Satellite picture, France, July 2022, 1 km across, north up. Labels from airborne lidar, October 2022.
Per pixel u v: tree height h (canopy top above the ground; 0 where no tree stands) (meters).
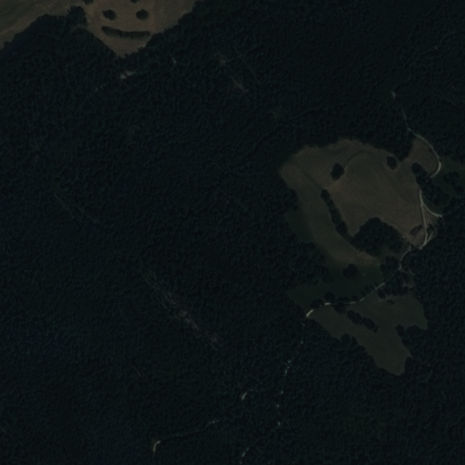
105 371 28
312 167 0
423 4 27
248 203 27
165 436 11
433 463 28
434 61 11
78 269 22
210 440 9
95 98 9
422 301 9
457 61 22
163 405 14
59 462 22
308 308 0
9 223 32
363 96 18
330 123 18
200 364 17
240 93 33
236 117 32
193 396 17
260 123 26
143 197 29
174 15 0
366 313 0
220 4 21
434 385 19
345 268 0
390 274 17
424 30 21
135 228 26
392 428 23
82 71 13
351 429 17
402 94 17
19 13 0
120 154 11
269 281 27
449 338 17
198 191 29
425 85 19
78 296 22
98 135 30
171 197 27
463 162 15
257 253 29
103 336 27
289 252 21
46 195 26
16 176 20
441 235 13
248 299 22
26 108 14
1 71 29
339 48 31
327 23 29
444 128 20
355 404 17
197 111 27
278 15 32
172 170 30
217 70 31
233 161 25
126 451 27
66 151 34
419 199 0
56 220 25
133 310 25
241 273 29
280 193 19
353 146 0
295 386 16
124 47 0
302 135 25
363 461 30
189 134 31
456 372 22
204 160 21
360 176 0
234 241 28
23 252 26
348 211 0
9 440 23
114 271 24
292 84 27
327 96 28
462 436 20
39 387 27
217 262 31
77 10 22
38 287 26
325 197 19
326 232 0
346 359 15
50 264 29
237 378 26
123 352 24
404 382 14
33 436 25
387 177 0
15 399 28
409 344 19
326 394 19
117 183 11
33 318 26
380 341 0
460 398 21
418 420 26
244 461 24
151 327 28
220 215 26
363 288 0
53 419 29
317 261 18
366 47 26
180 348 22
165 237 20
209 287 24
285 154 17
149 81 25
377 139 20
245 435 29
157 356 18
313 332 18
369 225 17
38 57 8
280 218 21
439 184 0
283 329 15
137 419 14
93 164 28
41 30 28
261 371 27
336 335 0
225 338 24
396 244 18
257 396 21
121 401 12
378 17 26
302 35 32
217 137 29
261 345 16
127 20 0
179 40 22
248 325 22
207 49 33
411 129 15
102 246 28
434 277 20
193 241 31
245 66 9
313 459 27
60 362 23
